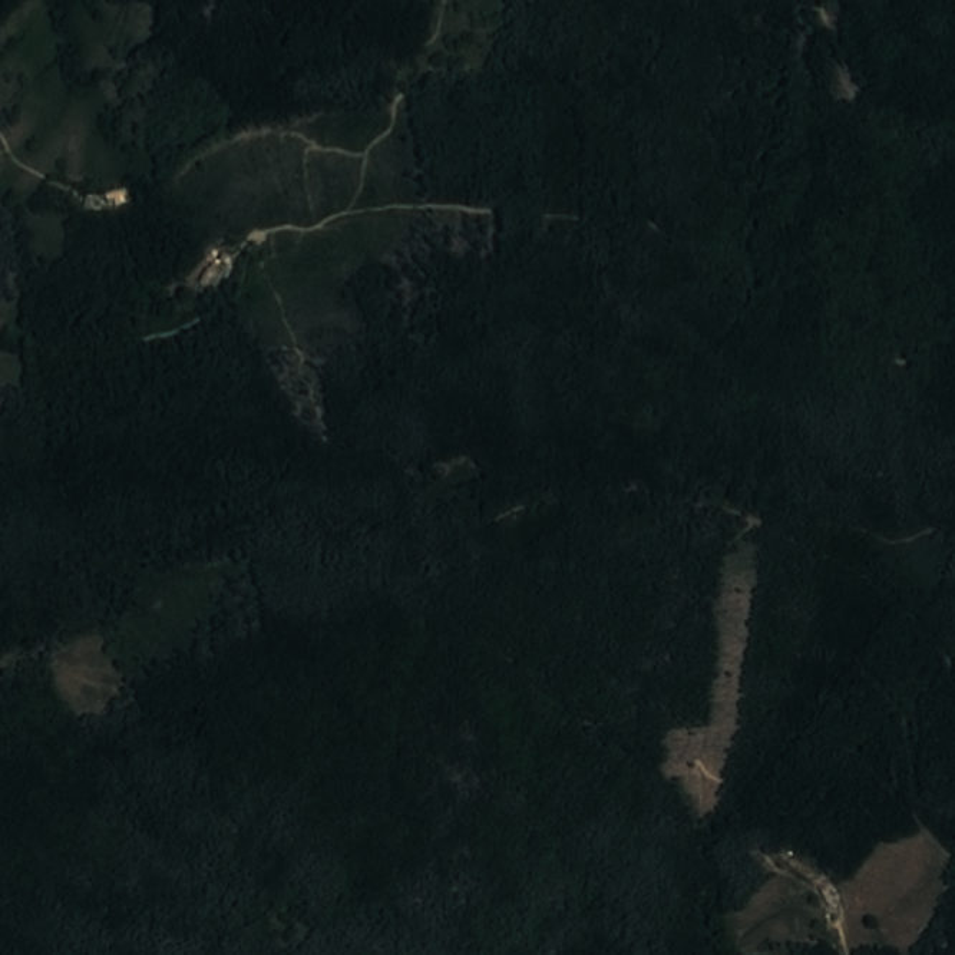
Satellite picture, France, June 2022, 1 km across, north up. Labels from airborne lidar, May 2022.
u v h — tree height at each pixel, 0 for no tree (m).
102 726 19
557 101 16
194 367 13
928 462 19
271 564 22
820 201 26
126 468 17
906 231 20
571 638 14
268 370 16
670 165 15
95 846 13
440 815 8
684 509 14
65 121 0
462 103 22
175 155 14
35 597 14
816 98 29
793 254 24
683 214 17
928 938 17
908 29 20
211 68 20
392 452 16
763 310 23
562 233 15
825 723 19
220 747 17
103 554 18
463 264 16
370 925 11
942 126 19
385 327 11
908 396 18
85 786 17
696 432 15
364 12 20
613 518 14
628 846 18
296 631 16
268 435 15
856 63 24
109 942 20
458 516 18
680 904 19
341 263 0
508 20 11
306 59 12
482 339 15
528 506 11
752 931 0
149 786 23
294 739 17
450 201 20
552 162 11
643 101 14
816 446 18
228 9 21
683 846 16
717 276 19
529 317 16
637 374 17
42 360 12
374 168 0
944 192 17
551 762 14
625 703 15
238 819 16
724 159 15
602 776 17
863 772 16
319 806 16
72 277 13
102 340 18
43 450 19
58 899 14
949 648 16
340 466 18
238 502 17
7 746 14
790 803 15
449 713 10
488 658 15
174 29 22
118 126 11
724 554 16
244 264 16
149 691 19
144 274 14
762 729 14
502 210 32
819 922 9
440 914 14
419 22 13
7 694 21
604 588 13
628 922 23
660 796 19
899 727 13
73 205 8
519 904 13
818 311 18
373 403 18
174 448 15
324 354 19
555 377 15
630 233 15
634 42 10
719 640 11
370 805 14
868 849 15
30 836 18
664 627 11
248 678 20
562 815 20
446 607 13
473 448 16
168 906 19
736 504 10
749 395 18
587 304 11
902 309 20
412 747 13
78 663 0
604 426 15
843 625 7
